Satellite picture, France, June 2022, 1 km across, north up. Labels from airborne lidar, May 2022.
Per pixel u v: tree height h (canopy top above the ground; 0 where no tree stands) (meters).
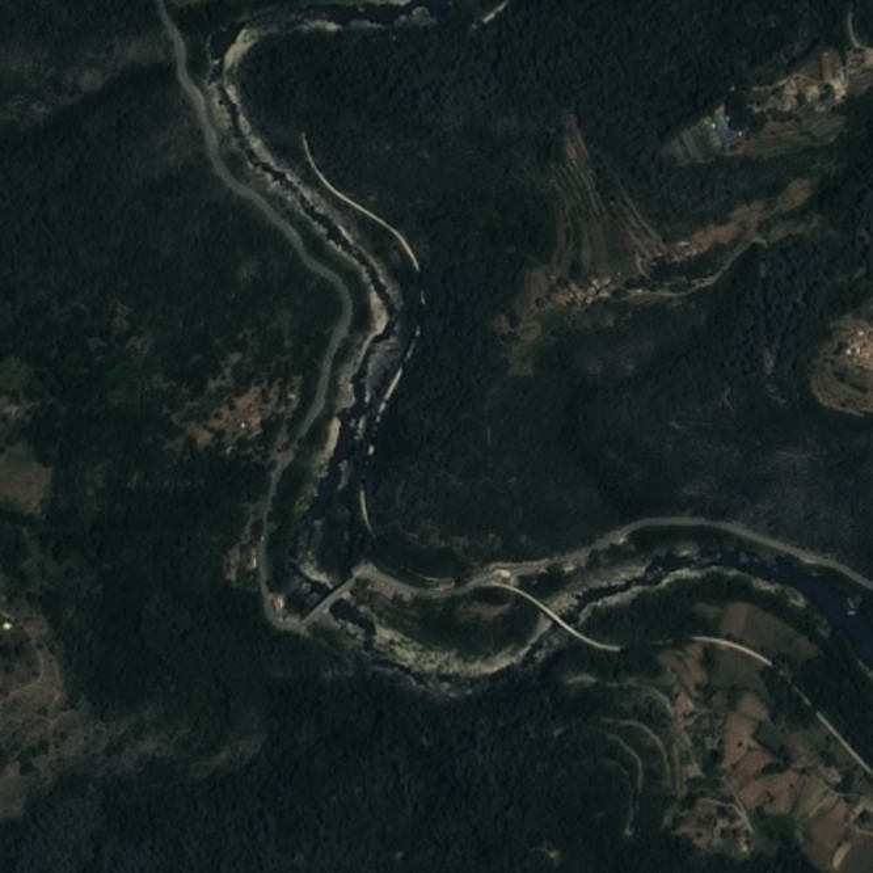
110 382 12
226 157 7
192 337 12
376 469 11
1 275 9
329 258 9
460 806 22
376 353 0
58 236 9
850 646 12
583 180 0
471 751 8
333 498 7
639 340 7
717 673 0
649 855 8
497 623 7
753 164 8
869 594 12
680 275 7
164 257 10
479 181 6
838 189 10
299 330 6
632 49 13
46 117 10
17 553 19
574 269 7
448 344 7
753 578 0
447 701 7
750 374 13
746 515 8
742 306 12
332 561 5
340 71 14
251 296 10
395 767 11
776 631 0
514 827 20
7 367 20
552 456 13
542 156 9
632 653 11
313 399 12
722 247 8
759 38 10
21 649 13
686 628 7
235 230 9
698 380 7
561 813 14
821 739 0
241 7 8
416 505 16
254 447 7
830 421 12
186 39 6
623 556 13
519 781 17
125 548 16
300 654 32
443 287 14
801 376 7
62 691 0
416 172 9
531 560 11
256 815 12
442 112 9
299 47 9
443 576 8
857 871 0
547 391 12
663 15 16
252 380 10
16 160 12
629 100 13
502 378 8
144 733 8
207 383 12
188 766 8
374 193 8
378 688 19
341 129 10
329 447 0
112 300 11
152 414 8
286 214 7
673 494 8
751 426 7
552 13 17
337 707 35
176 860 10
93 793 12
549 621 0
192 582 26
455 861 15
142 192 8
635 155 7
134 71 17
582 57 14
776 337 22
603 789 9
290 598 8
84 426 10
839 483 7
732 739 0
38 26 11
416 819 15
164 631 32
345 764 24
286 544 13
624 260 0
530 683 15
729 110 8
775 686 18
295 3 13
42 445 11
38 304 8
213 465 13
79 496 8
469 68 10
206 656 33
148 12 15
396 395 7
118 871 19
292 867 18
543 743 11
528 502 9
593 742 9
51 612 10
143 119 15
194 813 12
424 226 10
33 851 19
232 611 19
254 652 35
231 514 12
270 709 22
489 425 7
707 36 13
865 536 10
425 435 7
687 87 12
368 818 15
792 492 6
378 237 10
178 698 13
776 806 0
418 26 11
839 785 9
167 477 10
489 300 9
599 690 9
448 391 12
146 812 24
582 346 8
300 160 8
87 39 11
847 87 0
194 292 10
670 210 6
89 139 13
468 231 10
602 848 17
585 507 6
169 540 8
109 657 13
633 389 11
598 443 10
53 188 13
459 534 6
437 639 6
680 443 10
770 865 13
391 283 0
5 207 12
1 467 0
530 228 8
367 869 14
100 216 11
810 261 23
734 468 8
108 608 16
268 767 20
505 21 9
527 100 10
